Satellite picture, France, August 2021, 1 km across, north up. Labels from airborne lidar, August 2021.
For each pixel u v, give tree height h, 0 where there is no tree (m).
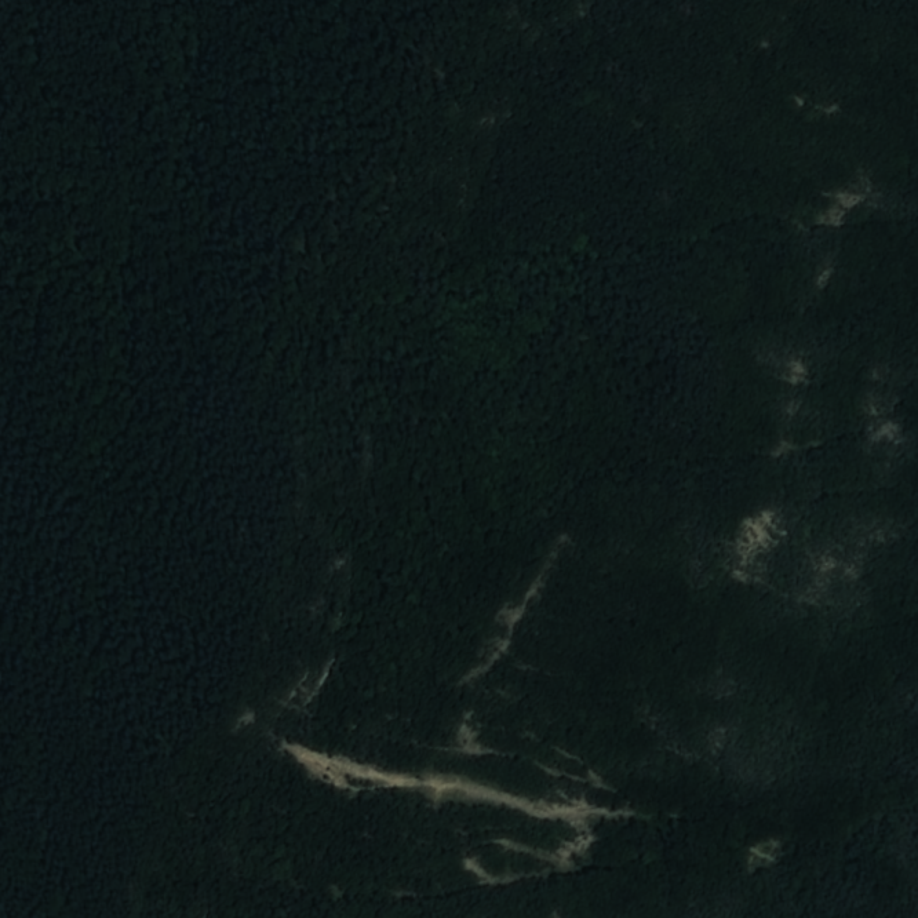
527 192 24
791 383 8
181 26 25
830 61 21
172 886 15
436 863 14
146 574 25
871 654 20
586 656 16
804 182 21
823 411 13
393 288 21
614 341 22
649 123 16
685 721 15
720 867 19
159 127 27
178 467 27
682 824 25
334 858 17
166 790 18
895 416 10
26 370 29
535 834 15
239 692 7
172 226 25
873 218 16
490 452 17
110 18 26
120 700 24
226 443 24
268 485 21
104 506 21
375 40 17
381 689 22
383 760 18
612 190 30
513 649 13
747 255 19
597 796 13
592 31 24
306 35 23
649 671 18
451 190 14
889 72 21
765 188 22
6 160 23
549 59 28
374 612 25
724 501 21
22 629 27
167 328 22
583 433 17
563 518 15
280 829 18
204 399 21
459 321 21
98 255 15
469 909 14
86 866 21
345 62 18
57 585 21
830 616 6
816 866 10
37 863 22
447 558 25
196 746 17
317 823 17
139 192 28
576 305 21
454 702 17
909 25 24
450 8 15
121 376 27
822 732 13
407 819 15
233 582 15
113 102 26
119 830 19
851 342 19
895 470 7
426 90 23
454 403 19
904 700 9
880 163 18
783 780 16
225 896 28
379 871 15
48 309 19
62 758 24
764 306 18
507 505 13
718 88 15
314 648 16
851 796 17
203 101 29
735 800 15
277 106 23
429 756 17
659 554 12
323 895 21
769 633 12
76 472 16
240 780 27
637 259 29
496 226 25
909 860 7
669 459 27
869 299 28
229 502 26
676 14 18
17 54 26
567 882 17
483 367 16
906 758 13
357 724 14
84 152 28
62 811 23
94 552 21
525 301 28
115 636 24
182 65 24
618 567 13
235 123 25
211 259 27
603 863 23
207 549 17
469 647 19
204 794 19
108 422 22
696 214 25
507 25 11
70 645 18
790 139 17
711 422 21
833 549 6
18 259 23
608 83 26
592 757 18
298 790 29
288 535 14
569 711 17
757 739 12
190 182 20
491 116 13
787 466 9
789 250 20
